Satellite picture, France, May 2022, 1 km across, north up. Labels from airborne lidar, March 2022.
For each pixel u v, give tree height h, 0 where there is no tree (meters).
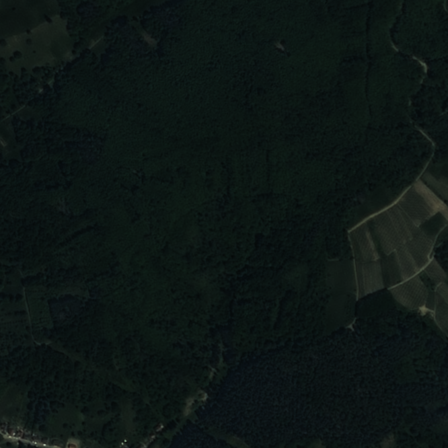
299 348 23
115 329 19
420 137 20
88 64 16
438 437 16
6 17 0
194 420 0
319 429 20
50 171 0
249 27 22
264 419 26
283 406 28
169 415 24
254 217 26
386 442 0
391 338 28
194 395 0
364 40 21
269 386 28
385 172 22
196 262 24
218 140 15
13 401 0
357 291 0
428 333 19
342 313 0
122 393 17
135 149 0
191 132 13
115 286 14
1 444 0
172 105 14
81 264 15
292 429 30
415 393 33
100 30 0
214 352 27
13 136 0
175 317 19
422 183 0
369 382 20
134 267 21
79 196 0
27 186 19
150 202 19
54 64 0
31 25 0
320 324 16
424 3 28
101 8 26
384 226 0
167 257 21
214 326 7
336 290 0
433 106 29
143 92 0
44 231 19
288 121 17
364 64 21
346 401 23
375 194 0
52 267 12
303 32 18
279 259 12
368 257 0
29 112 0
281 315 19
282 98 15
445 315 0
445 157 17
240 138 14
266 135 16
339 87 15
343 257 5
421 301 0
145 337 18
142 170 20
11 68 0
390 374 22
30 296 0
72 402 7
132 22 0
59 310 18
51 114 22
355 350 21
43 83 0
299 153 20
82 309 16
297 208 22
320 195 19
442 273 0
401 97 26
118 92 0
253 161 20
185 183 21
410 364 19
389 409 18
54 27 0
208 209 21
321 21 17
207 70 20
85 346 19
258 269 22
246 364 32
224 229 24
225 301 15
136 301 20
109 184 0
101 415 11
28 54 0
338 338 16
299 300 6
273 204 29
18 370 17
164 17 16
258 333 16
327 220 17
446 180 0
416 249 0
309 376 17
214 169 23
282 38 16
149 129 17
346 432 23
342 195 12
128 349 18
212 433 0
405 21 23
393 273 0
